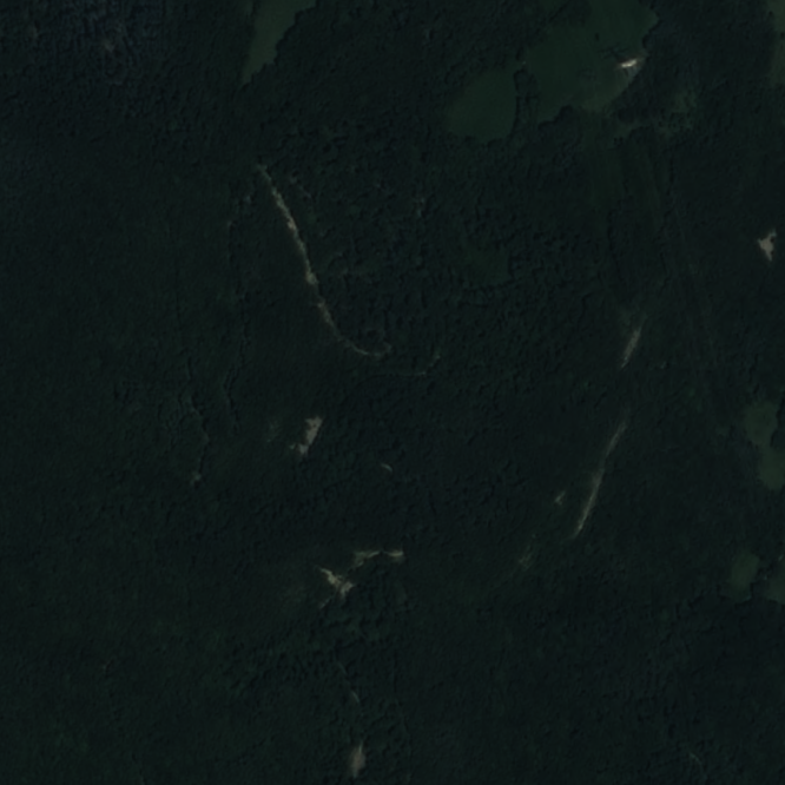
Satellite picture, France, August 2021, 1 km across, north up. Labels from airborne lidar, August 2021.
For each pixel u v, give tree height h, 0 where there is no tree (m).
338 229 19
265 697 21
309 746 19
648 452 15
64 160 14
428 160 22
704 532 19
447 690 12
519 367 19
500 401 24
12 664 18
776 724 19
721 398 24
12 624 18
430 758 11
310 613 16
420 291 21
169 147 21
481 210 16
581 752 28
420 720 15
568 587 22
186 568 22
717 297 23
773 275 12
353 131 33
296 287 16
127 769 21
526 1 18
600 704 30
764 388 16
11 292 14
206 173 25
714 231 18
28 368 18
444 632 20
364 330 23
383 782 17
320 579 17
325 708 18
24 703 18
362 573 18
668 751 14
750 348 21
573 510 13
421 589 16
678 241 21
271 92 23
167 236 15
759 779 19
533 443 22
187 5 15
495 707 28
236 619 21
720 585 24
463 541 21
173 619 18
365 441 16
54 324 16
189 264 16
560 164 20
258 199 18
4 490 12
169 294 19
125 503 26
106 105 25
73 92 25
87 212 16
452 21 15
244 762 12
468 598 22
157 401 17
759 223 13
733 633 29
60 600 16
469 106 0
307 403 22
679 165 26
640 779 20
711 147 19
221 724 19
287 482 23
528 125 9
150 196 17
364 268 27
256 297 23
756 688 29
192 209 18
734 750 22
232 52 18
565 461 18
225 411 29
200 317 29
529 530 16
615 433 12
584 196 18
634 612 21
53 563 18
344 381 19
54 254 14
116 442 17
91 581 17
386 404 24
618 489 23
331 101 23
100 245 11
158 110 18
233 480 20
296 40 21
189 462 21
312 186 22
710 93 12
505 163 19
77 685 17
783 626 22
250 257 16
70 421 16
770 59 21
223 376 29
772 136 25
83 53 24
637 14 0
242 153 21
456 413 18
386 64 20
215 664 22
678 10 21
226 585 20
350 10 23
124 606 16
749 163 27
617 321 9
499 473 22
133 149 20
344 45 23
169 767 21
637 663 29
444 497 22
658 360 14
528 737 29
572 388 27
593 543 26
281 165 25
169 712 15
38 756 19
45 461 17
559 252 30
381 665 15
